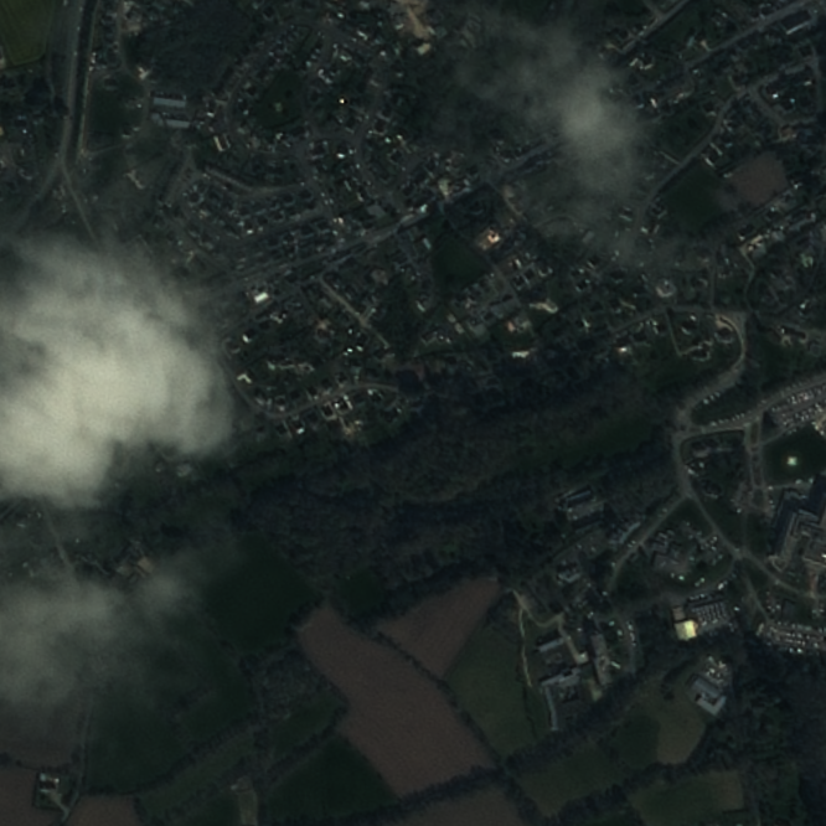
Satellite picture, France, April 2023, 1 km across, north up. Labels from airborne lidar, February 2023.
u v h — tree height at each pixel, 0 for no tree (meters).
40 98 12
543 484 15
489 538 21
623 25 12
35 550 0
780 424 0
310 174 0
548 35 20
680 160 0
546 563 9
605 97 6
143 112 0
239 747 0
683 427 0
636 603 18
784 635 0
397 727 0
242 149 0
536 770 10
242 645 0
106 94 0
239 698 0
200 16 12
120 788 0
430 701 0
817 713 29
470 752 0
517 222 12
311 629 0
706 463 0
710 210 0
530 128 7
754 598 0
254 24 6
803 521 0
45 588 0
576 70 17
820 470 0
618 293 7
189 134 12
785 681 26
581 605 9
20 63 0
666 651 23
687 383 11
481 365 18
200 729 0
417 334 8
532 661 0
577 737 22
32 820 0
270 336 0
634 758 0
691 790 0
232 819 0
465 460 28
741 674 19
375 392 0
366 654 0
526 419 25
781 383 12
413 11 0
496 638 0
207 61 18
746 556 0
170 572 14
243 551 0
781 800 6
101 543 10
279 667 14
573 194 8
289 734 0
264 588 0
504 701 0
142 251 0
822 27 14
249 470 11
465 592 0
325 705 0
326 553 29
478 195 12
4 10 0
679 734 0
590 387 22
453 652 0
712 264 0
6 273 0
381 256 0
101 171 0
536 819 16
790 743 14
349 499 22
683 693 0
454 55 11
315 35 0
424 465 19
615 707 20
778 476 0
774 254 13
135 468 0
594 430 19
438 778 0
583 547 0
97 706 11
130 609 0
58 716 0
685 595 0
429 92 18
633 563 10
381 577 22
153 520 22
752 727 16
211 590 0
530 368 23
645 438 0
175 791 0
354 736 0
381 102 0
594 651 0
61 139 0
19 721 0
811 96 6
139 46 8
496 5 12
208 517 0
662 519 0
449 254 0
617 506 22
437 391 21
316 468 10
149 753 0
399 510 11
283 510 29
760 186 0
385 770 0
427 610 0
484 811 0
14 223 0
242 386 0
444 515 12
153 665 0
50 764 0
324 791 0
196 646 0
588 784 0
